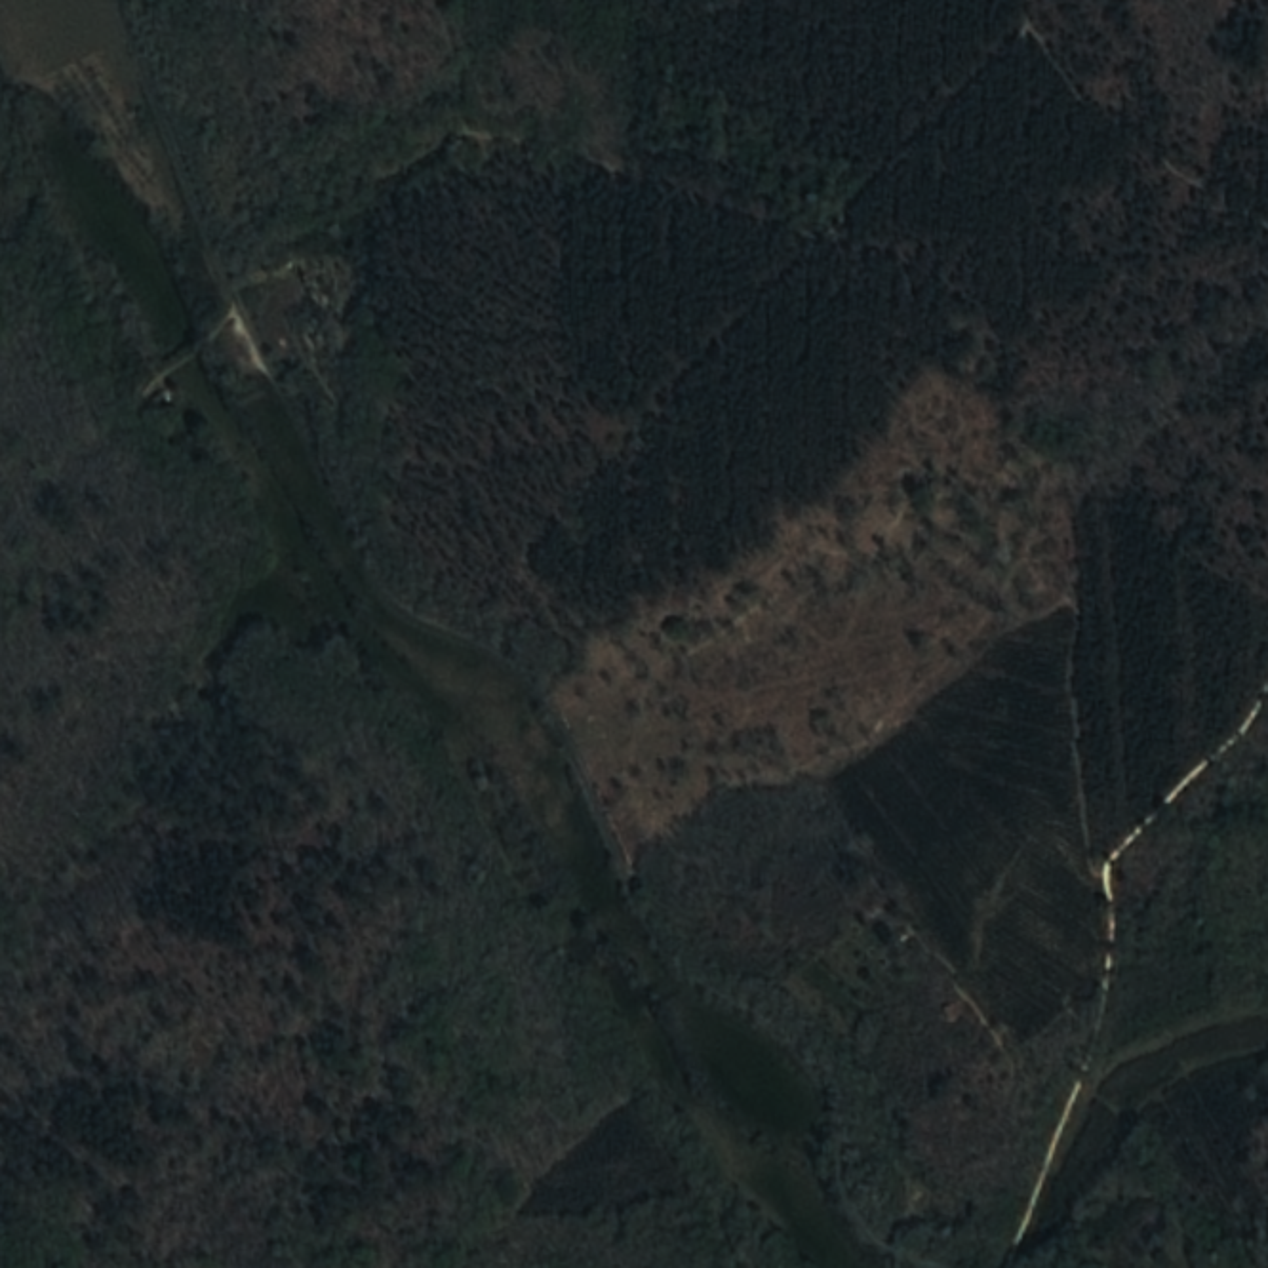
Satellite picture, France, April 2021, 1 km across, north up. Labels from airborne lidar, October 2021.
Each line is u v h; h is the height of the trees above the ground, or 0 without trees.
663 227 22
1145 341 6
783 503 19
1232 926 20
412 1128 29
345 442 15
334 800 22
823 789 13
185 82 14
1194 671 8
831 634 0
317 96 17
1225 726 7
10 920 18
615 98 23
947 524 0
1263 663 9
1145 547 9
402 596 7
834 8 19
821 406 19
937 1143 7
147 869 16
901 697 0
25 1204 27
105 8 0
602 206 22
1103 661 7
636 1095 17
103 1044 14
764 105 11
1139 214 10
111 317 11
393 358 15
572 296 19
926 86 19
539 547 8
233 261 13
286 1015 17
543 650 18
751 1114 0
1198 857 9
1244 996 17
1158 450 11
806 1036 18
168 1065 11
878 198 19
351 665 25
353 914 29
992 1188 13
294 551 0
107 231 0
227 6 17
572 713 0
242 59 14
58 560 22
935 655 0
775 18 20
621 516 18
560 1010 22
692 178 20
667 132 18
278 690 21
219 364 18
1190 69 8
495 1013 20
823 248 19
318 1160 10
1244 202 12
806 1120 0
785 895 6
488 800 7
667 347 19
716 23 15
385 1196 28
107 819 22
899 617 0
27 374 20
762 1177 0
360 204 18
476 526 23
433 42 19
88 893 16
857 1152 11
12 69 0
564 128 22
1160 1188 24
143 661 17
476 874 24
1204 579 7
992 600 0
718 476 21
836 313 21
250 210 8
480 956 20
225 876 16
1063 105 18
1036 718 6
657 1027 14
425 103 18
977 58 18
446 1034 19
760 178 12
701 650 0
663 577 17
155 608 22
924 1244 18
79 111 11
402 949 23
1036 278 18
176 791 12
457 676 0
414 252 25
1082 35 8
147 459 19
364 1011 12
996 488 0
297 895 27
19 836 15
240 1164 12
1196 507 11
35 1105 10
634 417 17
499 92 20
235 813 31
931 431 0
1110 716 8
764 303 19
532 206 19
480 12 19
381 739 16
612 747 0
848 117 17
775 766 0
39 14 0
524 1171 19
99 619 23
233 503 22
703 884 15
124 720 19
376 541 14
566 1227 17
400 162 13
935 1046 6
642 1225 18
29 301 20
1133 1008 12
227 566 16
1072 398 9
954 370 19
